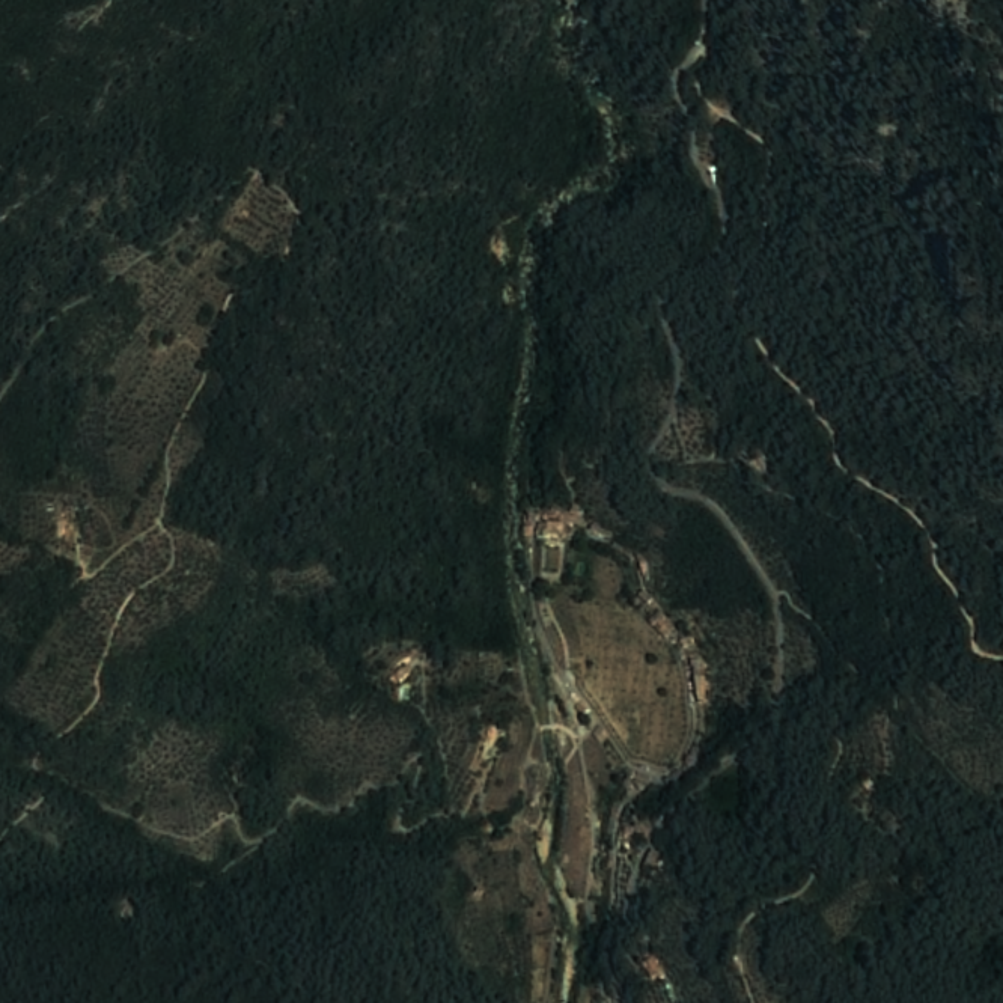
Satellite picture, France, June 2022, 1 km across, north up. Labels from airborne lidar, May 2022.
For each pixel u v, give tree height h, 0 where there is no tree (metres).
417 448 28
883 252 24
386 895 19
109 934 8
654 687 0
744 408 9
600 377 22
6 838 9
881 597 7
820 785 25
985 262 8
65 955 8
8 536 11
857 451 9
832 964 24
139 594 7
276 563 11
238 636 12
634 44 10
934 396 17
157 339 12
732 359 23
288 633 13
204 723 21
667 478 21
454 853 18
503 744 9
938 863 21
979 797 6
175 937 21
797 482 7
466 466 13
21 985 17
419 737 10
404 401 22
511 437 8
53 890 20
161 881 15
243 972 17
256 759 11
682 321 22
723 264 24
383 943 20
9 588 6
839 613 8
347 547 9
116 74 5
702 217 22
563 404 17
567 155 16
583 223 22
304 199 20
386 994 24
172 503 7
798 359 20
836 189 20
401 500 11
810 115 6
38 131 6
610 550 12
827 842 23
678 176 11
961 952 20
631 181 6
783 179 19
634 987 11
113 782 8
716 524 6
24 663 12
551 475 11
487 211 21
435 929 25
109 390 8
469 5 9
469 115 13
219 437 9
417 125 13
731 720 15
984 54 10
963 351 7
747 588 6
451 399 24
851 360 22
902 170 17
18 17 7
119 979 6
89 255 20
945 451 7
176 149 11
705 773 14
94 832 16
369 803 15
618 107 11
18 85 6
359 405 8
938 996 18
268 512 9
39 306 17
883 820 8
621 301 21
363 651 21
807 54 21
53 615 6
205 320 7
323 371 5
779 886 20
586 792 0
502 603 8
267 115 10
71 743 12
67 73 7
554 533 0
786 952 20
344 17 8
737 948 16
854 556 11
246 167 10
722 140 15
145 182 16
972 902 20
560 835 8
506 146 9
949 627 12
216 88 8
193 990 19
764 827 30
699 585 7
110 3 21
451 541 25
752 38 18
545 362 14
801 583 11
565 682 0
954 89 9
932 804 25
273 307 17
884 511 8
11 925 19
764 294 20
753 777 27
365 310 19
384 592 21
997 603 7
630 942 19
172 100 6
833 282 18
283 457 8
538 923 0
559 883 0
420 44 12
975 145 8
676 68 8
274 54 20
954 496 11
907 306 19
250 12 8
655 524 23
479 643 12
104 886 22
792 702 12
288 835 19
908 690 17
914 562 6
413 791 18
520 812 9
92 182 14
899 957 24
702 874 16
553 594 11
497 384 7
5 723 7
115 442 7
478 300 20
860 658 12
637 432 7
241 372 9
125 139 13
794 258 24
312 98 7
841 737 24
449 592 8
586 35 29
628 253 20
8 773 10
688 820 13
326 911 10
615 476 17
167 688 18
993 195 9
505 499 7
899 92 15
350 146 9
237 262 14
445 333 22
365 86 10
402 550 10
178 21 5
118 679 8
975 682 16
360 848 10
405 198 14
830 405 21
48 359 25
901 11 8
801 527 6
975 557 19
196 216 15
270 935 21
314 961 22
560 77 11
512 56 17
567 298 21
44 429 6
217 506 20
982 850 26
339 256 10
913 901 5
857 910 7
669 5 19
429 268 19
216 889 18
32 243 6
